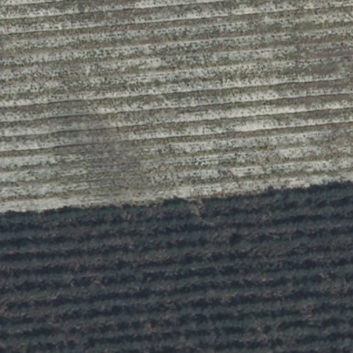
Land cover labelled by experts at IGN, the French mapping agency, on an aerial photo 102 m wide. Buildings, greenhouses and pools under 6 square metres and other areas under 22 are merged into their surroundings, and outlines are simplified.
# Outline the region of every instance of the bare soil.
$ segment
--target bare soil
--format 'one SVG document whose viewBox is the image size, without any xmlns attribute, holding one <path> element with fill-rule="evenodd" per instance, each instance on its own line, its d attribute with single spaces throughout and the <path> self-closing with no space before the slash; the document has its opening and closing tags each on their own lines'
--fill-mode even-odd
<svg viewBox="0 0 353 353">
<path fill-rule="evenodd" d="M 0 212 L 46 211 L 63 207 L 61 199 L 19 200 L 0 204 Z"/>
</svg>

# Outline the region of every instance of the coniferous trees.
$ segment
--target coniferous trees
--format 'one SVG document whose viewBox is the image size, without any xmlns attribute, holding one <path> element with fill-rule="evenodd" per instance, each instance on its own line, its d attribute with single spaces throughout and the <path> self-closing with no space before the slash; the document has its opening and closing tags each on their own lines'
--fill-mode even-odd
<svg viewBox="0 0 353 353">
<path fill-rule="evenodd" d="M 214 288 L 167 296 L 149 295 L 143 298 L 12 307 L 11 314 L 41 316 L 48 312 L 63 313 L 97 307 L 105 309 L 120 305 L 154 305 L 157 302 L 172 302 L 179 299 L 186 301 L 211 296 L 230 298 L 266 292 L 280 294 L 283 291 L 327 290 L 328 281 L 320 281 L 287 283 L 277 287 L 240 287 L 225 290 Z"/>
<path fill-rule="evenodd" d="M 63 207 L 46 211 L 0 212 L 0 225 L 62 221 L 65 228 L 61 229 L 62 234 L 99 233 L 119 229 L 137 229 L 142 232 L 146 228 L 167 228 L 183 223 L 199 222 L 212 226 L 221 222 L 299 215 L 302 214 L 302 208 L 291 208 L 284 211 L 262 210 L 256 214 L 205 218 L 201 218 L 200 214 L 192 214 L 192 218 L 171 221 L 102 223 L 97 226 L 72 228 L 70 222 L 74 218 L 95 219 L 119 215 L 117 205 Z"/>
<path fill-rule="evenodd" d="M 214 230 L 0 247 L 0 254 L 199 239 L 211 237 Z"/>
<path fill-rule="evenodd" d="M 251 210 L 266 203 L 287 204 L 294 200 L 341 199 L 353 193 L 353 189 L 296 193 L 294 188 L 268 188 L 262 193 L 228 194 L 226 197 L 205 196 L 204 208 L 236 205 L 237 208 Z"/>
<path fill-rule="evenodd" d="M 298 313 L 259 319 L 156 325 L 156 331 L 183 332 L 251 325 L 258 331 L 266 324 L 303 320 L 302 314 Z"/>
<path fill-rule="evenodd" d="M 313 316 L 314 321 L 328 319 L 328 317 L 353 316 L 353 312 L 352 310 L 327 310 L 327 312 L 316 313 Z"/>
<path fill-rule="evenodd" d="M 339 228 L 353 225 L 353 221 L 320 219 L 281 223 L 272 228 L 252 226 L 239 229 L 239 234 L 269 234 L 281 230 L 319 229 L 321 226 Z"/>
<path fill-rule="evenodd" d="M 149 341 L 95 343 L 94 346 L 88 347 L 84 345 L 85 341 L 88 341 L 87 335 L 77 332 L 74 334 L 74 347 L 68 346 L 68 334 L 0 339 L 0 347 L 12 346 L 15 352 L 19 346 L 52 342 L 51 349 L 46 347 L 43 353 L 148 353 Z"/>
<path fill-rule="evenodd" d="M 135 251 L 116 251 L 103 254 L 102 261 L 127 261 L 137 258 Z"/>
<path fill-rule="evenodd" d="M 301 343 L 299 349 L 303 353 L 353 353 L 353 341 L 346 338 Z"/>
<path fill-rule="evenodd" d="M 26 331 L 50 327 L 50 324 L 48 321 L 32 321 L 23 324 L 0 324 L 0 332 Z"/>
<path fill-rule="evenodd" d="M 342 258 L 353 254 L 353 252 L 319 251 L 291 256 L 292 262 L 298 262 L 307 259 Z"/>
<path fill-rule="evenodd" d="M 0 261 L 0 269 L 57 265 L 63 258 L 55 256 Z"/>
<path fill-rule="evenodd" d="M 226 353 L 285 353 L 288 346 L 281 343 L 277 346 L 225 347 Z"/>
<path fill-rule="evenodd" d="M 285 330 L 287 335 L 299 336 L 328 335 L 331 332 L 346 332 L 353 328 L 353 327 L 349 324 L 338 324 L 323 328 L 291 327 Z"/>
<path fill-rule="evenodd" d="M 26 229 L 19 232 L 0 232 L 0 240 L 55 236 L 55 230 Z"/>
<path fill-rule="evenodd" d="M 19 284 L 23 281 L 61 280 L 66 283 L 70 279 L 91 279 L 90 284 L 81 287 L 46 290 L 33 288 L 29 291 L 6 292 L 0 295 L 0 302 L 57 298 L 59 295 L 81 295 L 88 298 L 98 292 L 170 288 L 185 284 L 239 279 L 269 281 L 279 277 L 347 273 L 353 270 L 353 266 L 346 263 L 341 266 L 316 266 L 310 269 L 281 269 L 265 276 L 259 272 L 208 274 L 179 280 L 148 279 L 121 284 L 101 284 L 102 277 L 121 274 L 142 276 L 146 272 L 171 274 L 176 270 L 258 265 L 265 262 L 263 256 L 143 266 L 139 269 L 124 266 L 121 269 L 99 272 L 87 270 L 0 277 L 0 285 Z"/>
<path fill-rule="evenodd" d="M 290 301 L 80 317 L 57 323 L 57 327 L 74 328 L 109 323 L 112 330 L 95 332 L 95 338 L 110 338 L 145 334 L 142 327 L 117 330 L 117 321 L 172 319 L 183 314 L 236 313 L 240 310 L 280 309 L 320 303 L 334 305 L 353 301 L 353 298 L 350 295 L 309 296 Z"/>
<path fill-rule="evenodd" d="M 338 245 L 353 240 L 353 234 L 323 233 L 321 236 L 302 236 L 294 240 L 237 241 L 234 244 L 205 244 L 194 247 L 185 245 L 167 248 L 165 251 L 165 255 L 171 256 L 196 252 L 233 252 L 245 248 L 291 248 L 301 244 Z"/>
</svg>

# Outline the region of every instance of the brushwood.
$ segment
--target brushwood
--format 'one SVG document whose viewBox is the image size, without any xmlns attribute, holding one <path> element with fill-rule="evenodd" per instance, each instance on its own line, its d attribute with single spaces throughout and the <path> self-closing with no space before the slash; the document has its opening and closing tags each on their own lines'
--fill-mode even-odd
<svg viewBox="0 0 353 353">
<path fill-rule="evenodd" d="M 23 281 L 19 284 L 0 285 L 0 295 L 6 292 L 29 291 L 33 288 L 46 290 L 81 287 L 90 284 L 91 279 L 70 279 L 66 283 L 61 280 Z"/>
<path fill-rule="evenodd" d="M 353 181 L 294 188 L 296 193 L 353 189 Z"/>
<path fill-rule="evenodd" d="M 284 211 L 291 208 L 302 208 L 302 214 L 299 215 L 221 222 L 212 226 L 199 222 L 183 223 L 167 228 L 146 228 L 142 232 L 137 229 L 119 229 L 99 233 L 62 234 L 61 229 L 65 228 L 62 221 L 0 225 L 0 232 L 19 232 L 26 229 L 55 230 L 55 236 L 0 240 L 0 247 L 214 230 L 211 237 L 199 239 L 0 254 L 0 261 L 55 256 L 63 258 L 57 265 L 0 269 L 0 277 L 87 270 L 99 272 L 121 269 L 124 266 L 139 269 L 143 266 L 263 256 L 265 262 L 258 265 L 176 270 L 171 274 L 146 272 L 142 276 L 121 274 L 102 277 L 101 284 L 121 284 L 148 279 L 179 280 L 208 274 L 259 272 L 265 276 L 281 269 L 310 269 L 316 266 L 341 266 L 346 263 L 353 266 L 353 254 L 342 258 L 307 259 L 298 262 L 292 262 L 291 256 L 319 251 L 353 252 L 353 240 L 338 245 L 301 244 L 291 248 L 245 248 L 233 252 L 196 252 L 171 256 L 165 255 L 165 251 L 167 248 L 185 245 L 194 247 L 205 244 L 234 244 L 237 241 L 294 240 L 302 236 L 321 236 L 323 233 L 353 234 L 353 225 L 339 228 L 321 226 L 319 229 L 281 230 L 269 234 L 239 234 L 239 229 L 252 226 L 272 228 L 281 223 L 320 219 L 353 221 L 353 193 L 341 199 L 294 200 L 287 204 L 266 203 L 251 210 L 237 208 L 236 205 L 204 208 L 205 196 L 188 196 L 185 199 L 174 197 L 117 205 L 119 215 L 95 219 L 74 218 L 70 222 L 72 228 L 97 226 L 102 223 L 171 221 L 192 218 L 192 214 L 200 214 L 201 218 L 205 218 L 256 214 L 262 210 Z M 103 254 L 116 251 L 135 251 L 137 258 L 127 261 L 102 261 Z"/>
<path fill-rule="evenodd" d="M 43 353 L 46 347 L 51 349 L 52 342 L 19 346 L 15 352 L 12 346 L 0 347 L 0 353 Z"/>
<path fill-rule="evenodd" d="M 283 291 L 280 294 L 266 292 L 230 298 L 211 296 L 186 301 L 179 299 L 172 302 L 157 302 L 154 305 L 120 305 L 105 309 L 97 307 L 63 313 L 48 312 L 41 316 L 11 314 L 12 307 L 143 298 L 149 295 L 167 296 L 214 288 L 225 290 L 240 287 L 277 287 L 287 283 L 320 281 L 328 281 L 327 290 Z M 352 310 L 353 312 L 353 301 L 334 305 L 320 303 L 280 309 L 240 310 L 236 313 L 183 314 L 172 319 L 117 321 L 117 330 L 142 327 L 145 334 L 110 338 L 95 338 L 95 332 L 112 330 L 109 323 L 74 328 L 57 327 L 57 323 L 80 317 L 290 301 L 309 296 L 350 295 L 353 298 L 353 270 L 347 273 L 279 277 L 269 281 L 239 279 L 185 284 L 170 288 L 98 292 L 88 298 L 81 295 L 59 295 L 57 298 L 0 302 L 0 324 L 23 324 L 32 321 L 48 321 L 50 324 L 50 327 L 26 331 L 0 332 L 0 339 L 68 334 L 68 346 L 74 347 L 74 334 L 77 332 L 87 335 L 88 341 L 85 341 L 84 345 L 88 347 L 94 346 L 95 343 L 149 341 L 148 353 L 226 353 L 225 347 L 277 346 L 281 343 L 288 346 L 285 353 L 303 353 L 299 349 L 301 343 L 346 338 L 353 341 L 353 328 L 346 332 L 331 332 L 328 335 L 299 336 L 287 335 L 285 330 L 291 327 L 323 328 L 338 324 L 349 324 L 353 327 L 353 316 L 328 317 L 328 319 L 314 321 L 313 316 L 316 313 L 327 312 L 327 310 Z M 259 319 L 298 313 L 302 314 L 303 320 L 266 324 L 258 331 L 251 325 L 183 332 L 156 331 L 156 325 Z"/>
</svg>

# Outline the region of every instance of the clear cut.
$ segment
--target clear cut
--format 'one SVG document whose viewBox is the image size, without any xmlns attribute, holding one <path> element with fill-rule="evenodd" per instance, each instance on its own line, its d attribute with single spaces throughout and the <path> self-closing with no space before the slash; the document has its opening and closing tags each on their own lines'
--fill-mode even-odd
<svg viewBox="0 0 353 353">
<path fill-rule="evenodd" d="M 61 199 L 63 207 L 117 205 L 174 197 L 185 199 L 188 196 L 205 196 L 226 197 L 228 194 L 262 193 L 268 188 L 294 188 L 353 181 L 353 0 L 0 0 L 0 204 L 19 200 Z"/>
</svg>

